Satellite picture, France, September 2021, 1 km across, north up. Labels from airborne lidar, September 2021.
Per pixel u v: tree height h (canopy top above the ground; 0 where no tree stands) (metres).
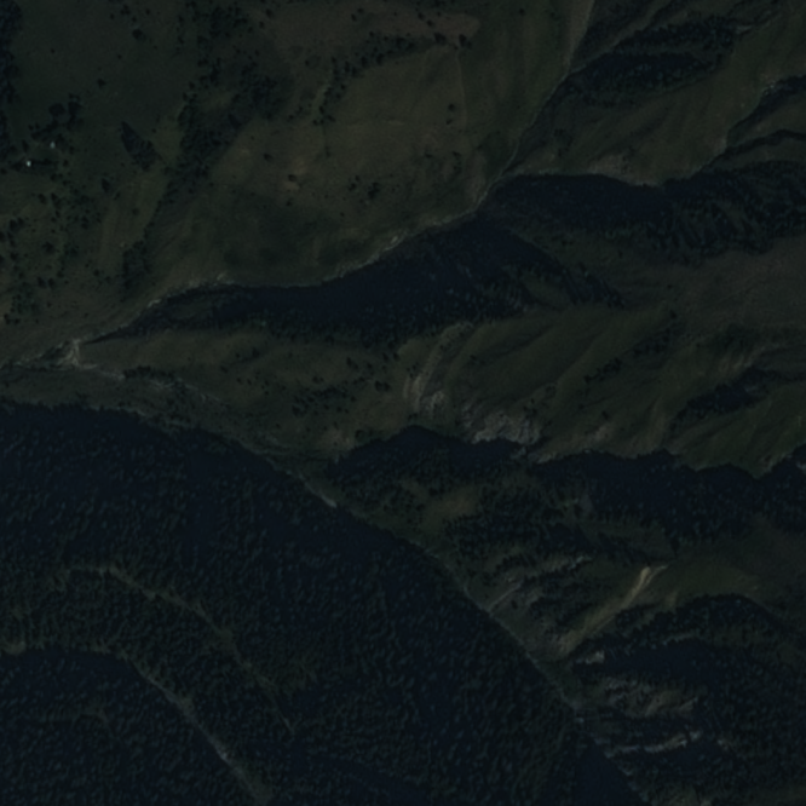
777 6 6
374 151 0
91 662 13
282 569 15
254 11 0
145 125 0
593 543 0
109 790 13
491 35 0
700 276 0
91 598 23
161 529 29
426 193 0
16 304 8
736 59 0
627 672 8
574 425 0
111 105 0
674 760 8
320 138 0
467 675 9
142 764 9
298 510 9
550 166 0
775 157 0
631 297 0
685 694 26
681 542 11
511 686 12
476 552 12
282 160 0
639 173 0
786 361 0
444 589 9
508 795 33
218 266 0
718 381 0
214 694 9
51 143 11
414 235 0
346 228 0
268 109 12
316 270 0
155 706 36
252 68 6
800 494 8
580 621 7
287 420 0
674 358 0
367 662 22
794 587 0
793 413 0
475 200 0
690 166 0
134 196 0
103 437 16
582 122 0
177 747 27
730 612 11
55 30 0
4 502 31
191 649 20
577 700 0
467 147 0
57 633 16
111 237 0
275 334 9
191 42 0
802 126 0
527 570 11
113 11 0
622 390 0
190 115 9
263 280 0
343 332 6
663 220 9
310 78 0
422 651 29
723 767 20
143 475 14
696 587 0
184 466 10
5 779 32
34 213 0
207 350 0
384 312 6
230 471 14
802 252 0
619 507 13
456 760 11
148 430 0
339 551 6
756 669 9
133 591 6
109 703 25
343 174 0
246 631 21
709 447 0
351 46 0
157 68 0
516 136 0
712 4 0
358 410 0
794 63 0
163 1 0
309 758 7
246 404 0
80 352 0
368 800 23
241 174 0
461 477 7
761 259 0
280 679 17
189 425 7
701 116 0
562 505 12
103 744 9
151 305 0
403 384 0
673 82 10
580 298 0
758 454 0
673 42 9
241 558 36
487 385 0
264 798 0
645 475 6
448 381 0
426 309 12
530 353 0
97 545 18
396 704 11
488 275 8
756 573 0
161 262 0
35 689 16
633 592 0
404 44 8
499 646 10
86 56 0
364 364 0
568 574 7
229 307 0
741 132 0
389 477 11
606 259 0
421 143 0
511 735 18
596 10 0
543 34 0
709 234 0
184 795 25
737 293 0
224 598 9
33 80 0
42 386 0
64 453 23
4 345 0
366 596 27
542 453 0
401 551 14
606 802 7
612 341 0
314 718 26
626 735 15
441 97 0
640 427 0
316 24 0
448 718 12
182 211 0
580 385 0
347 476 11
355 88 0
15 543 29
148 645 25
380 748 22
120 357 0
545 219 6
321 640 22
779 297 0
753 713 10
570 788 8
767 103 0
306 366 0
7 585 17
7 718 14
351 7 0
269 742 24
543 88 0
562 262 0
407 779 18
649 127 0
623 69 6
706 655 11
